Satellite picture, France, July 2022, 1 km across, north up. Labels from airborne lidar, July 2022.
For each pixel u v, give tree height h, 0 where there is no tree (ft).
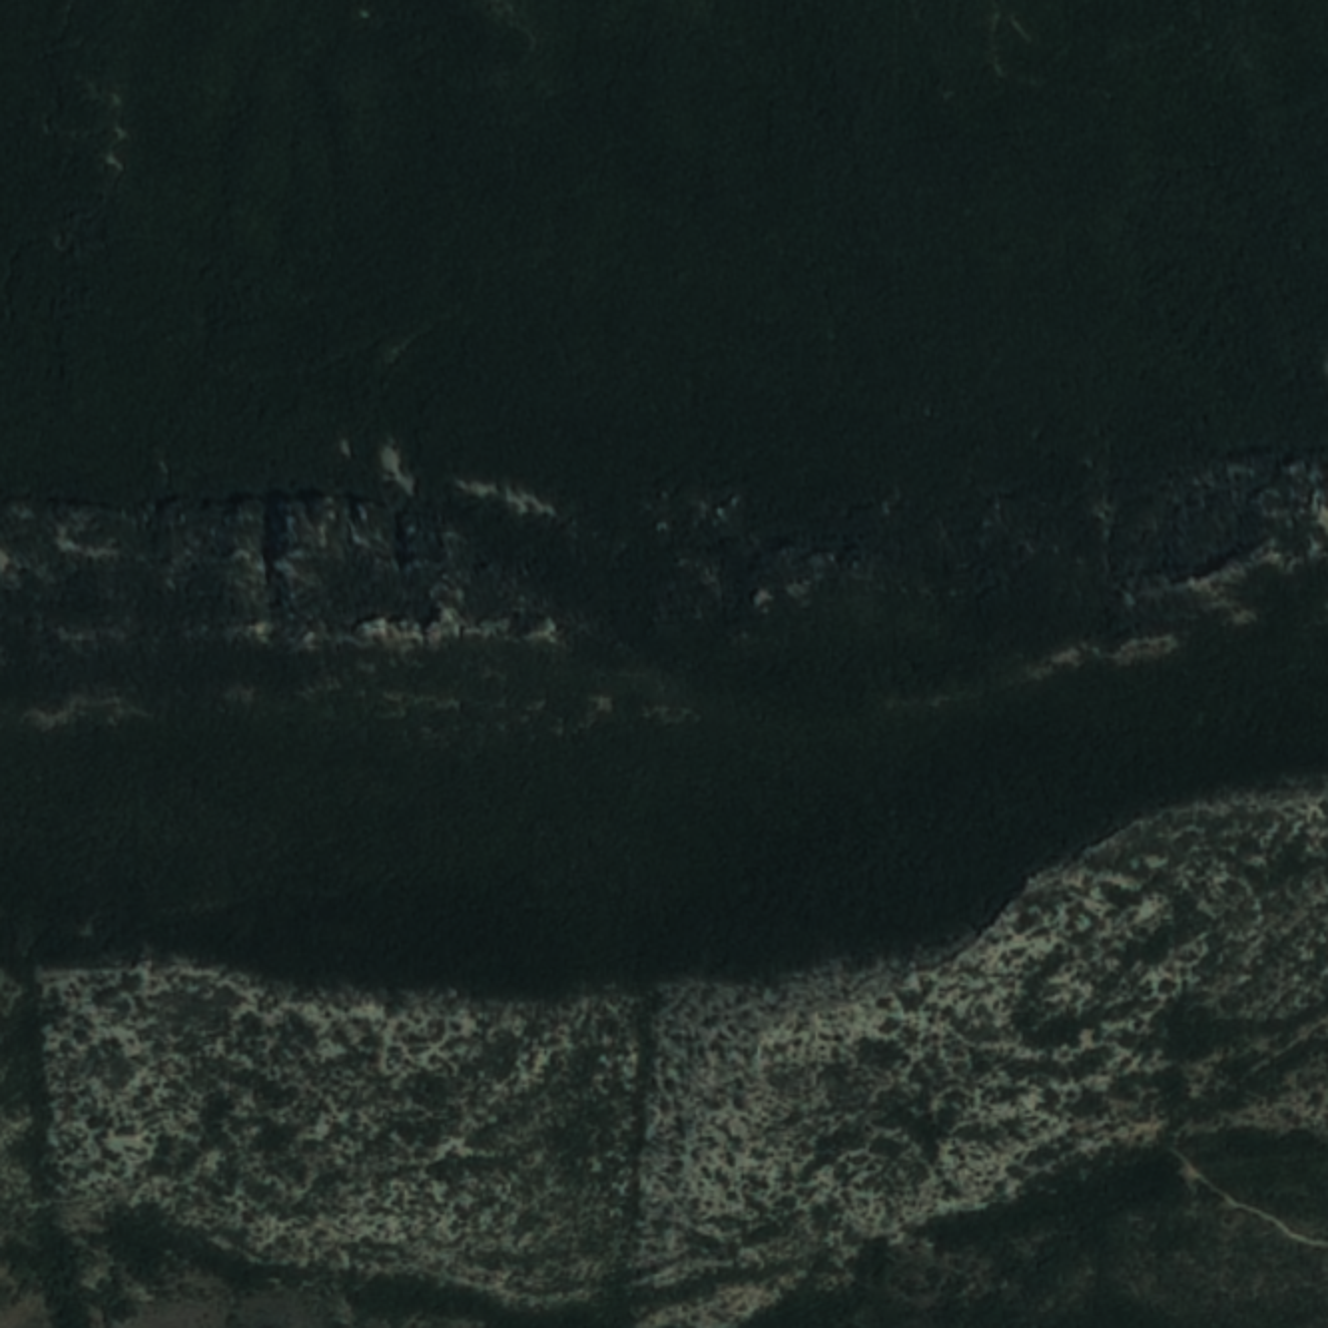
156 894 20
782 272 31
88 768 21
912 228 22
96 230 20
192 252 38
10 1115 18
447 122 22
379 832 28
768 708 27
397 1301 25
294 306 20
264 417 27
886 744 19
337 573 25
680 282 24
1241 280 37
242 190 20
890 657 42
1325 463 27
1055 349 27
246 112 30
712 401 33
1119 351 25
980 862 28
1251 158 25
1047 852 29
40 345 25
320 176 27
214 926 30
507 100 18
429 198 30
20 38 25
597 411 32
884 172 21
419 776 20
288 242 22
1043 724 26
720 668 31
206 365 23
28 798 23
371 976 28
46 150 36
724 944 27
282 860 21
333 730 25
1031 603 32
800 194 22
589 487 28
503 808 21
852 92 30
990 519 23
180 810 21
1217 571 20
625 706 20
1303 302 31
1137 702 22
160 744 23
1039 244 21
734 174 22
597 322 25
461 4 26
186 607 25
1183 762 24
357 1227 0
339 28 21
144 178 25
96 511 79
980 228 23
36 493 41
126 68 24
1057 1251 20
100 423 26
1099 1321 20
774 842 27
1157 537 24
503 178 28
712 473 32
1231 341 30
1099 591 34
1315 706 24
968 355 26
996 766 39
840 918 26
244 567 21
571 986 25
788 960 22
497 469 29
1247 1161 22
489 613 19
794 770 27
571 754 27
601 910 31
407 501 31
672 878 23
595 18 25
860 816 42
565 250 20
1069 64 17
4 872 26
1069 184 25
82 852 24
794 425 26
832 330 25
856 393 28
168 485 26
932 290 26
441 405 22
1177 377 32
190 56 24
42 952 29
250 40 27
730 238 29
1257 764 28
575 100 21
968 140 24
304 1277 20
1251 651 21
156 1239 25
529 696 20
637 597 27
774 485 28
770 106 21
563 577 31
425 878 21
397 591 20
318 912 29
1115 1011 18
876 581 18
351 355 19
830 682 31
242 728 21
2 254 25
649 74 19
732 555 22
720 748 28
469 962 23
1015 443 35
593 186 22
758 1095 0
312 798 19
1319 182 24
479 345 29
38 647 22
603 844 28
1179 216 31
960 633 34
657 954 35
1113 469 30
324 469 30
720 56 21
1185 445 38
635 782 19
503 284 22
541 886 23
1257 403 31
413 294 26
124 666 17
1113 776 24
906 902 25
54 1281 41
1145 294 26
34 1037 27
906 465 27
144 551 27
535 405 34
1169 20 17
